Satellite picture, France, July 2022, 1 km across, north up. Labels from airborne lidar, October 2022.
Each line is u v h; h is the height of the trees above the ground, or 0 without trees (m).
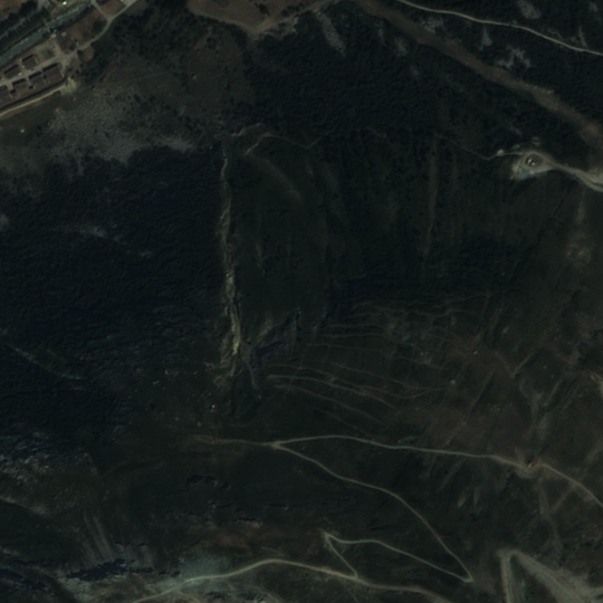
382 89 8
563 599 0
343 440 0
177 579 0
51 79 0
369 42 17
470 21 0
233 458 0
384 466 0
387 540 0
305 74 7
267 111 6
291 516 0
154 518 0
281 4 0
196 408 0
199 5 0
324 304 0
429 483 0
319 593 0
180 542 0
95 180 6
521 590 0
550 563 0
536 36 8
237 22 0
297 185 0
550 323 0
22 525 0
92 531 0
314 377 0
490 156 9
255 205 0
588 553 0
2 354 6
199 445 0
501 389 0
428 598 0
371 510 0
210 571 0
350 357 0
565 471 0
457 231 0
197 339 0
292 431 0
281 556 0
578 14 8
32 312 6
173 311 0
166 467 0
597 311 0
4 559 0
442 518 0
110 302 6
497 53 12
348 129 9
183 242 6
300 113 7
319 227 0
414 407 0
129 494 0
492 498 0
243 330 0
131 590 0
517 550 0
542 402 0
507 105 8
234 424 0
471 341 0
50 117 0
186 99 0
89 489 0
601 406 0
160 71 0
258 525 0
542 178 0
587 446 0
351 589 0
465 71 17
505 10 6
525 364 0
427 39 0
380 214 0
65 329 7
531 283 0
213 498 0
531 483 0
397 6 8
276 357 0
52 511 0
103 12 0
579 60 7
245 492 0
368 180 0
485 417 0
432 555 0
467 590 0
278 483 0
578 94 8
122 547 0
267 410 0
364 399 0
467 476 0
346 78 6
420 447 0
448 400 0
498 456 0
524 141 7
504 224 0
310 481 0
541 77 12
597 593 0
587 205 0
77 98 0
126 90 0
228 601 0
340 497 0
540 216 0
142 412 0
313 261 0
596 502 0
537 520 0
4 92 0
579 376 0
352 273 0
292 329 0
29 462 0
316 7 0
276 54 7
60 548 0
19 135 0
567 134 11
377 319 0
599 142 0
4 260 8
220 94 0
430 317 0
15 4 0
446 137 7
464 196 0
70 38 0
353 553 0
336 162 11
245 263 0
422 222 0
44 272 5
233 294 0
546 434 0
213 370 0
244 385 0
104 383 0
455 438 0
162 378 0
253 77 9
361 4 0
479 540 0
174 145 0
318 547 0
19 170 0
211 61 0
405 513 0
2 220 0
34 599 0
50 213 6
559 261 0
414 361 0
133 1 0
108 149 0
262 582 0
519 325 0
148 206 9
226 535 0
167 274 5
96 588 0
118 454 0
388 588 0
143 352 0
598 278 0
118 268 8
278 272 8
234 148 0
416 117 7
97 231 0
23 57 0
